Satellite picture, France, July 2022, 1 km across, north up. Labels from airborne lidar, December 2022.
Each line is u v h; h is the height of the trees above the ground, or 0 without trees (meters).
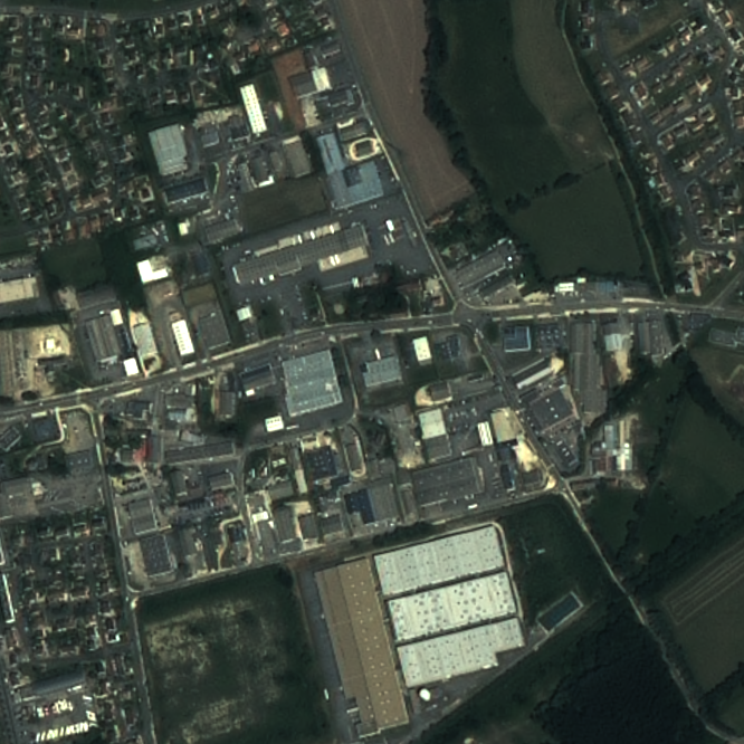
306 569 0
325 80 0
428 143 0
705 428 0
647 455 0
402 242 0
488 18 0
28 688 0
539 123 0
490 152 0
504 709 8
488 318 0
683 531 0
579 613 0
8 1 0
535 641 0
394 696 0
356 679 0
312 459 0
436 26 18
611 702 34
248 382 0
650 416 0
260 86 0
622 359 0
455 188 0
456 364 0
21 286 0
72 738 6
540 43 0
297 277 0
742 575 0
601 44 0
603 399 0
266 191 0
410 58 0
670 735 35
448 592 0
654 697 29
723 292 0
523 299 0
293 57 0
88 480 0
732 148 0
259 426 0
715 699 18
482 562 0
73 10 0
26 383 0
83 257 0
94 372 0
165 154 0
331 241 0
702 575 0
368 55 0
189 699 0
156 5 0
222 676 0
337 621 0
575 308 0
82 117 0
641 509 14
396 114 0
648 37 0
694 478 0
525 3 0
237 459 0
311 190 0
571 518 5
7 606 0
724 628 0
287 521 0
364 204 0
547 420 0
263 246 0
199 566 0
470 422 0
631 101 0
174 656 0
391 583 0
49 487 0
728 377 0
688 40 0
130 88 0
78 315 0
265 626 0
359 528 0
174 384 0
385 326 0
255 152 0
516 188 0
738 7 0
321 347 0
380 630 0
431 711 0
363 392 0
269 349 0
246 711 0
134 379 0
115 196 0
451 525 0
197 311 0
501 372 0
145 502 0
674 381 0
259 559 0
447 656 0
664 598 0
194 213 0
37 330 0
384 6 0
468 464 0
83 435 0
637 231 7
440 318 0
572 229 0
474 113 0
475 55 0
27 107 0
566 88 0
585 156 0
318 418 0
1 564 0
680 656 19
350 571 0
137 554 0
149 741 0
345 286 0
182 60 0
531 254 14
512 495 0
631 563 19
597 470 0
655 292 8
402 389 0
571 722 31
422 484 0
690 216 0
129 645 0
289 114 0
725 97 0
